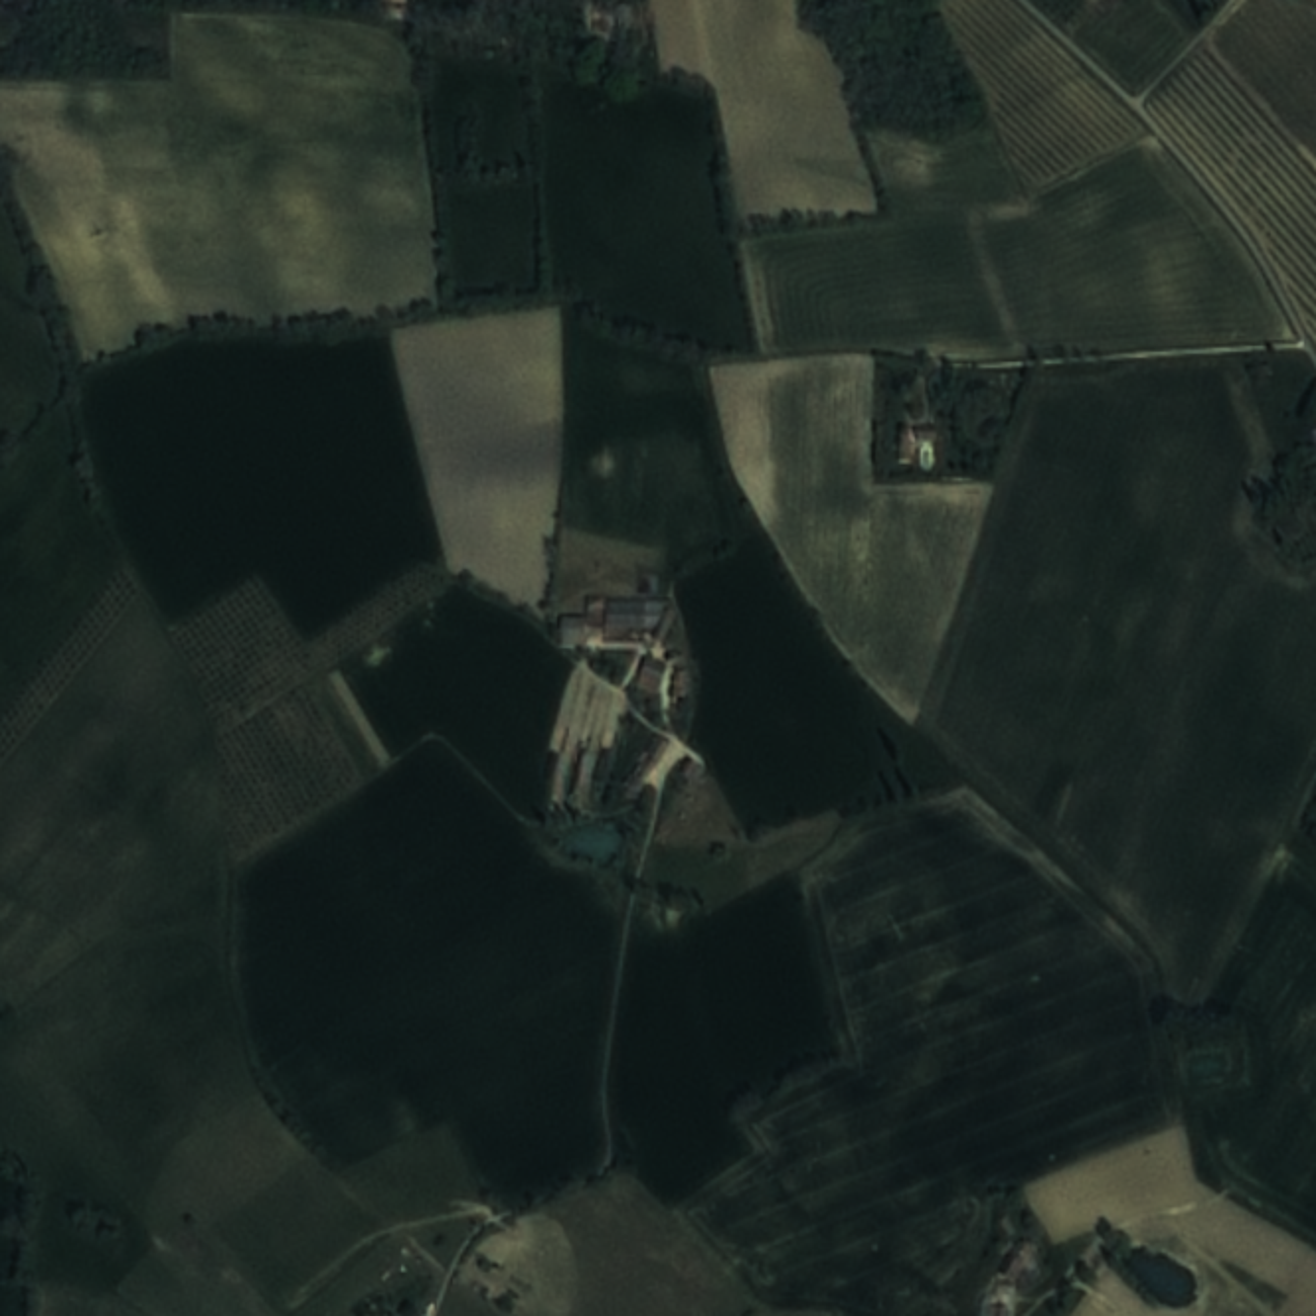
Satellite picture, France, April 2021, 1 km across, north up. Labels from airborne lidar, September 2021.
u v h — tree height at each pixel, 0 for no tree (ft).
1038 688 0
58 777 0
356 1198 0
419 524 0
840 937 0
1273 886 0
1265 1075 0
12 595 0
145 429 0
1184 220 0
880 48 66
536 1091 0
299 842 0
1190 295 0
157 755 0
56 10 48
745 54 0
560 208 0
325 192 0
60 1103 0
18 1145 0
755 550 0
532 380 0
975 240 0
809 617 32
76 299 0
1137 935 0
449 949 0
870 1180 0
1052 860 0
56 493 0
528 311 35
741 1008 0
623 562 0
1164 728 0
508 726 0
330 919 0
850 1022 0
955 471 36
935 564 0
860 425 0
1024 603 0
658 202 0
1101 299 0
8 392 0
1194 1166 0
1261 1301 0
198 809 0
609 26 39
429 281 0
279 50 0
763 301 0
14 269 0
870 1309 0
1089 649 0
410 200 0
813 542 0
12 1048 0
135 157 0
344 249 0
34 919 0
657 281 0
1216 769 0
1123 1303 0
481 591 35
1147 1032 0
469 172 38
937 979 0
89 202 0
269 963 0
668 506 0
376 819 0
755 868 0
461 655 0
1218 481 0
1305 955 0
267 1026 0
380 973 0
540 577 0
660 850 0
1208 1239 0
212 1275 0
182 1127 0
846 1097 0
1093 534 0
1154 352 0
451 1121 0
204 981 0
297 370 0
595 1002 0
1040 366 60
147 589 0
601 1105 0
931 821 0
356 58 0
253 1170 0
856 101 50
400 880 0
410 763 0
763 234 56
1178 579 0
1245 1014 0
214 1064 0
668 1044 0
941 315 0
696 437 0
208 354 0
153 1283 0
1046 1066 0
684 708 50
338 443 0
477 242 0
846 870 0
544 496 0
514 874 0
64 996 0
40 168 0
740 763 0
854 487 0
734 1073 0
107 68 27
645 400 0
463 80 0
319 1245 0
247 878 0
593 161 0
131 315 0
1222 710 0
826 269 0
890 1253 0
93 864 0
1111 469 0
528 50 73
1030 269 0
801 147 0
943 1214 0
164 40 0
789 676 0
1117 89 0
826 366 0
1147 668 0
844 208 0
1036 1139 0
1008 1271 0
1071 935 0
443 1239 0
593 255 0
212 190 0
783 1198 0
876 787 0
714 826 0
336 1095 0
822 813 0
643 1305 0
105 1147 0
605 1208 0
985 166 0
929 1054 0
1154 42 0
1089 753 0
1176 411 0
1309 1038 0
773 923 0
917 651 0
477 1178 0
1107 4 0
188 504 0
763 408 0
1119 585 0
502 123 0
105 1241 32
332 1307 0
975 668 0
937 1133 0
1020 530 0
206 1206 0
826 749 0
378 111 0
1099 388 0
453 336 0
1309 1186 0
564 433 0
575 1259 0
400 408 0
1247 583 0
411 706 0
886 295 0
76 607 0
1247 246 0
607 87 40
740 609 0
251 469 0
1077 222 0
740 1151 0
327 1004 0
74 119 0
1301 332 0
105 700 0
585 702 0
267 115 0
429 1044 0
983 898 0
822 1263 0
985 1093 0
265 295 0
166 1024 0
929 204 0
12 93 0
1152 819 0
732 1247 0
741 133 0
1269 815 0
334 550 0
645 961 0
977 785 0
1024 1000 0
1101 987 0
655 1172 0
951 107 62
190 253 0
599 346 0
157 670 0
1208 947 0
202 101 0
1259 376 37
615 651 0
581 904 0
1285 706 0
